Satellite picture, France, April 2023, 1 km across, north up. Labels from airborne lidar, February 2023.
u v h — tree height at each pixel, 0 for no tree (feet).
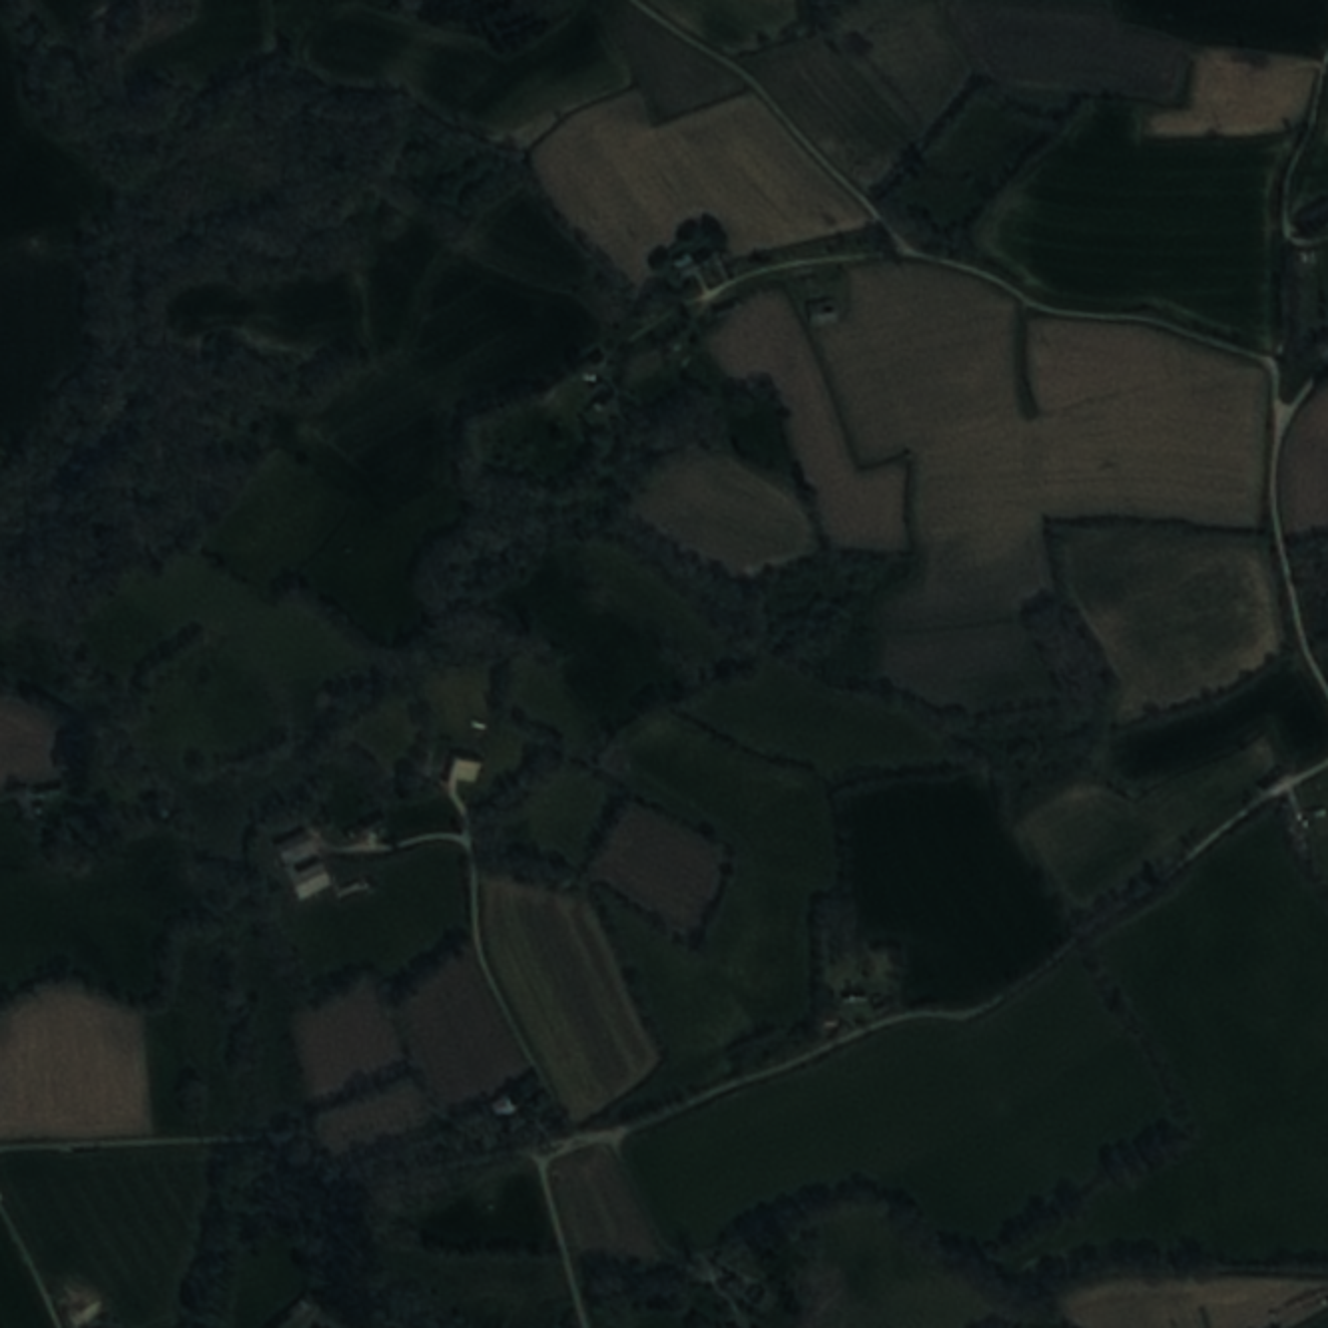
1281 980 0
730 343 0
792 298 0
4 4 72
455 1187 43
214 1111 0
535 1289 0
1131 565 0
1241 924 0
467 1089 0
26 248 0
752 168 0
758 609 51
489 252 0
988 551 0
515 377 0
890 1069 0
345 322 0
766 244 0
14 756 0
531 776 60
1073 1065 0
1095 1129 0
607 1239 0
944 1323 0
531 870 51
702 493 0
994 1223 0
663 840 0
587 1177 0
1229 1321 0
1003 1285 78
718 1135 0
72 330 0
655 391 0
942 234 22
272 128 53
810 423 0
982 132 0
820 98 0
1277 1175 0
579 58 0
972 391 0
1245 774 0
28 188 0
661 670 0
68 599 71
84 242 42
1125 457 0
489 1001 0
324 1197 74
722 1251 37
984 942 0
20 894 0
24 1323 0
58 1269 0
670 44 0
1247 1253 0
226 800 0
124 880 0
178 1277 0
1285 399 0
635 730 0
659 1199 0
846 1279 0
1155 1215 0
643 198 0
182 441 45
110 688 51
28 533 34
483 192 31
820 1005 35
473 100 0
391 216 70
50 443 43
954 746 25
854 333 0
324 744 54
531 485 53
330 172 60
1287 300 35
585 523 26
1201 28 0
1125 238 0
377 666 40
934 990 0
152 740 0
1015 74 0
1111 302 0
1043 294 0
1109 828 0
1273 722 0
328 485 0
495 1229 0
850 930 39
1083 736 24
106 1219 0
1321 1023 0
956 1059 0
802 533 0
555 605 0
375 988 37
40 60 60
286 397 59
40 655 0
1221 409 0
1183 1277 47
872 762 0
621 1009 0
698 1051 0
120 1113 0
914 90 0
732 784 0
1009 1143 0
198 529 50
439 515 0
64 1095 0
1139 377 0
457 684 0
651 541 54
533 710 0
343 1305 90
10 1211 0
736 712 0
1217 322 0
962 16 0
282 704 0
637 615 0
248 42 0
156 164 25
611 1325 88
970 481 0
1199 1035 0
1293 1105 0
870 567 30
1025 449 0
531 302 0
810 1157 0
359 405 0
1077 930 32
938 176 0
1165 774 0
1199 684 0
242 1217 20
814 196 0
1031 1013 0
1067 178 0
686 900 0
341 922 0
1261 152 0
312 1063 0
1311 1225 0
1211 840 0
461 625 72
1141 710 0
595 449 81
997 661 0
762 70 0
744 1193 0
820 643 35
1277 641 0
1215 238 0
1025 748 21
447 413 0
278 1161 39
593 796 0
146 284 87
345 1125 0
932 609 0
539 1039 0
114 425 23
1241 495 0
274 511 0
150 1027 0
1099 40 0
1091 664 69
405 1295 26
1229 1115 0
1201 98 0
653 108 0
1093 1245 0
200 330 0
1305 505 0
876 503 0
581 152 0
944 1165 0
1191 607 0
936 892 0
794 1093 0
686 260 0
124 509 54
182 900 0
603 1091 0
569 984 0
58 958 0
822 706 0
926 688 0
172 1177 0
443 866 0
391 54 0
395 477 0
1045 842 0
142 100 57
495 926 0
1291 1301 0
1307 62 0
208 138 31
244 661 0
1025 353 0
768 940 0
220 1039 0
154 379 50
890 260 94
